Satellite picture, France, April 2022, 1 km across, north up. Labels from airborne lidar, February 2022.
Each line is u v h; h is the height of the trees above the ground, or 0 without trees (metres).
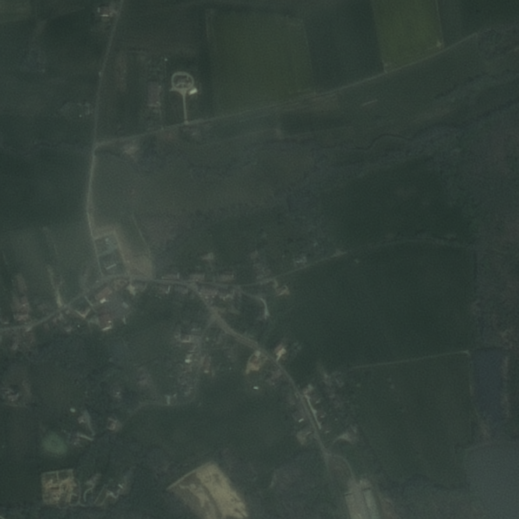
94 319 0
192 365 0
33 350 6
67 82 0
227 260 0
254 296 0
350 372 7
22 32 0
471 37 0
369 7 0
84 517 25
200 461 0
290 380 0
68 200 0
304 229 18
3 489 0
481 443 18
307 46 0
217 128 0
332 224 0
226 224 0
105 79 0
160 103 8
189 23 0
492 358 0
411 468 0
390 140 0
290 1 0
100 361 0
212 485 0
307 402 0
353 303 0
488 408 0
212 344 0
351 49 0
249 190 0
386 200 0
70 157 0
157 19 0
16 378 0
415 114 0
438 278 0
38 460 12
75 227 0
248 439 0
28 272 0
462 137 24
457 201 15
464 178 15
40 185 0
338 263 0
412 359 0
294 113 0
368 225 0
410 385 0
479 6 0
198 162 0
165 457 17
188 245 0
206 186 0
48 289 0
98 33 0
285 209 0
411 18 0
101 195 0
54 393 0
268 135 0
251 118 0
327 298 0
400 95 0
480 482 0
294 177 0
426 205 0
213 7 0
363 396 0
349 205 0
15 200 0
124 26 0
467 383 0
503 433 25
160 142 0
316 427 0
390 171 0
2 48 0
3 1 0
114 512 26
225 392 0
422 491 27
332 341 0
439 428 0
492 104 0
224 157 0
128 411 8
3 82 0
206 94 0
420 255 0
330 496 12
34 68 9
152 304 0
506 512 0
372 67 0
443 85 0
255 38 0
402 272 0
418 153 12
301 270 0
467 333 0
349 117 0
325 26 0
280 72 0
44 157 0
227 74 0
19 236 0
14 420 0
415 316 0
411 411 0
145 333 0
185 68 0
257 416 0
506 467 0
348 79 0
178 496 0
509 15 0
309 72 0
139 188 0
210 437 0
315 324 0
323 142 0
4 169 0
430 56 0
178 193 0
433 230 0
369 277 0
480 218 22
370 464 0
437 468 0
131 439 0
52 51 0
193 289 0
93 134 0
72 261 0
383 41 0
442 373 0
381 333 0
